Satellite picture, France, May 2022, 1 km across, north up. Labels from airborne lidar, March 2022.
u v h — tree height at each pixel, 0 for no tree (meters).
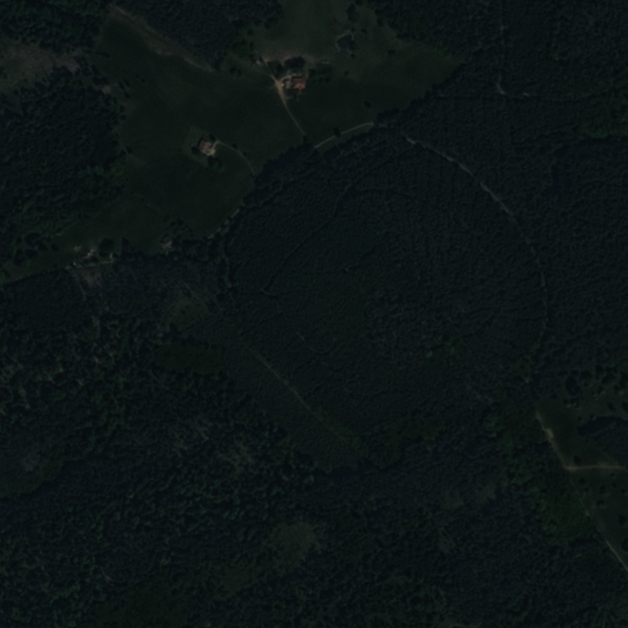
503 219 22
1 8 20
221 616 27
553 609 10
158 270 31
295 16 0
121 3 27
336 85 0
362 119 0
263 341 20
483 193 25
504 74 20
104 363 35
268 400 6
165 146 0
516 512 26
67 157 26
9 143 14
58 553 33
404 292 16
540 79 16
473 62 15
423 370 16
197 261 26
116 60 0
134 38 0
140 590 12
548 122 18
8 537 30
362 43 0
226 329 8
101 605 11
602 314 22
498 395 16
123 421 13
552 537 27
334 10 0
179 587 11
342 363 15
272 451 28
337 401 18
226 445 27
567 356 28
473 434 8
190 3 22
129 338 11
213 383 18
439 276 23
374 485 29
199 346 12
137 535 31
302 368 18
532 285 26
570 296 29
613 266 27
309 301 15
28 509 32
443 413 25
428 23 14
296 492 27
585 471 0
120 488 28
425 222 22
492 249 24
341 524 12
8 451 24
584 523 17
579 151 21
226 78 0
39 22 26
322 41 0
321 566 25
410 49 0
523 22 20
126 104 0
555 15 17
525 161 27
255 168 0
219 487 22
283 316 18
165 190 0
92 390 33
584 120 15
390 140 20
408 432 14
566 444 0
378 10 18
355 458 6
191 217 0
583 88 15
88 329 30
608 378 19
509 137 21
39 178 16
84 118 14
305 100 0
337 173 25
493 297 21
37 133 15
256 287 21
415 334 21
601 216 28
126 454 27
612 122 15
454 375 19
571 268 30
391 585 9
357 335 17
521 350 19
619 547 0
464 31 21
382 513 26
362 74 0
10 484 20
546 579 10
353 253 18
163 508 30
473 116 22
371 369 16
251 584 7
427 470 30
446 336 16
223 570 7
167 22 24
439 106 22
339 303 14
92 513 27
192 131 0
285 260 21
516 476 23
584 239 29
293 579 33
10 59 0
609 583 11
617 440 27
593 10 25
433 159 23
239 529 26
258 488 28
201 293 33
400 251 24
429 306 17
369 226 22
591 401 0
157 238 0
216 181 0
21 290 12
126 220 0
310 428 7
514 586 28
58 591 27
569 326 32
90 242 0
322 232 21
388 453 16
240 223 16
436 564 14
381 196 21
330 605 9
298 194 23
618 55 18
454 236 20
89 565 28
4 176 11
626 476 0
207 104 0
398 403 19
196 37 25
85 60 8
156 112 0
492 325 25
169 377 32
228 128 0
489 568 21
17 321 19
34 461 26
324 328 13
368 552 7
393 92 0
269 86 0
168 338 23
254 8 27
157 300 31
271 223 22
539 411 0
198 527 27
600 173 28
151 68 0
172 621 12
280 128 0
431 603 10
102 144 16
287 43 0
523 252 24
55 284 13
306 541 0
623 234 29
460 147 24
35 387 28
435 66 0
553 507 16
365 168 24
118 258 11
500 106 27
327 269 11
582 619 24
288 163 27
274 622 33
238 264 23
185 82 0
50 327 16
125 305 28
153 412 27
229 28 25
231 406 17
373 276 17
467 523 7
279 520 21
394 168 28
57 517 29
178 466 21
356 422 19
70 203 9
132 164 0
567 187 30
